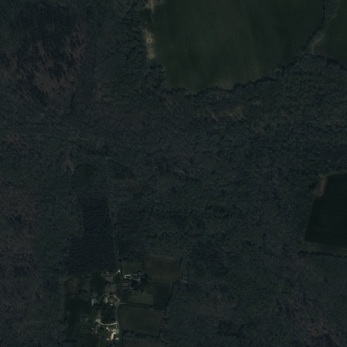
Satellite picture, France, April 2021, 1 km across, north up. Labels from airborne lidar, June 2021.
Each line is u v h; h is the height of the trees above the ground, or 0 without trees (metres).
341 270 14
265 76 0
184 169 12
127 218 12
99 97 11
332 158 13
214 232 16
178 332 18
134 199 8
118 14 16
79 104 17
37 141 21
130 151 20
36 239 10
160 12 0
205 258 29
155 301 0
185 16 0
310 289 19
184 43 0
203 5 0
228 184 12
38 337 18
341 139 13
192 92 0
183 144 20
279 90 21
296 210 15
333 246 0
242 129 18
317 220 0
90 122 13
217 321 15
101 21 17
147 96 16
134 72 16
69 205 16
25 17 11
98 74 17
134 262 14
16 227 10
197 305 18
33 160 19
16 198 0
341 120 24
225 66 0
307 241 0
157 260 0
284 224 17
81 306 0
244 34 0
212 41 0
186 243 18
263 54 0
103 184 21
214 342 21
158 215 20
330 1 17
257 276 21
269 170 16
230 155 14
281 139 17
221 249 28
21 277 18
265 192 16
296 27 0
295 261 14
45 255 18
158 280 0
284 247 10
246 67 0
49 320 16
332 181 0
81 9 16
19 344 12
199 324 14
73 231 12
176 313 18
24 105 14
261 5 0
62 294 19
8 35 18
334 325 16
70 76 8
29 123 13
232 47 0
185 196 14
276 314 15
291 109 19
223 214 18
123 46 15
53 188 20
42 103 18
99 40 19
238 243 21
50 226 22
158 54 0
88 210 19
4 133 22
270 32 0
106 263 15
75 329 0
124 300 0
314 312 13
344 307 20
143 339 12
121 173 19
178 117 16
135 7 17
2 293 16
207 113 16
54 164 22
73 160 14
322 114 17
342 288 13
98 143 17
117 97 16
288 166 14
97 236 15
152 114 11
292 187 20
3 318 16
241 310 18
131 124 12
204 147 25
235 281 22
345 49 0
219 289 16
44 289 18
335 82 20
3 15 15
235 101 21
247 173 18
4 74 13
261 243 20
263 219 21
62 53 6
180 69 0
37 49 13
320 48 0
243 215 22
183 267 16
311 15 0
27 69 9
